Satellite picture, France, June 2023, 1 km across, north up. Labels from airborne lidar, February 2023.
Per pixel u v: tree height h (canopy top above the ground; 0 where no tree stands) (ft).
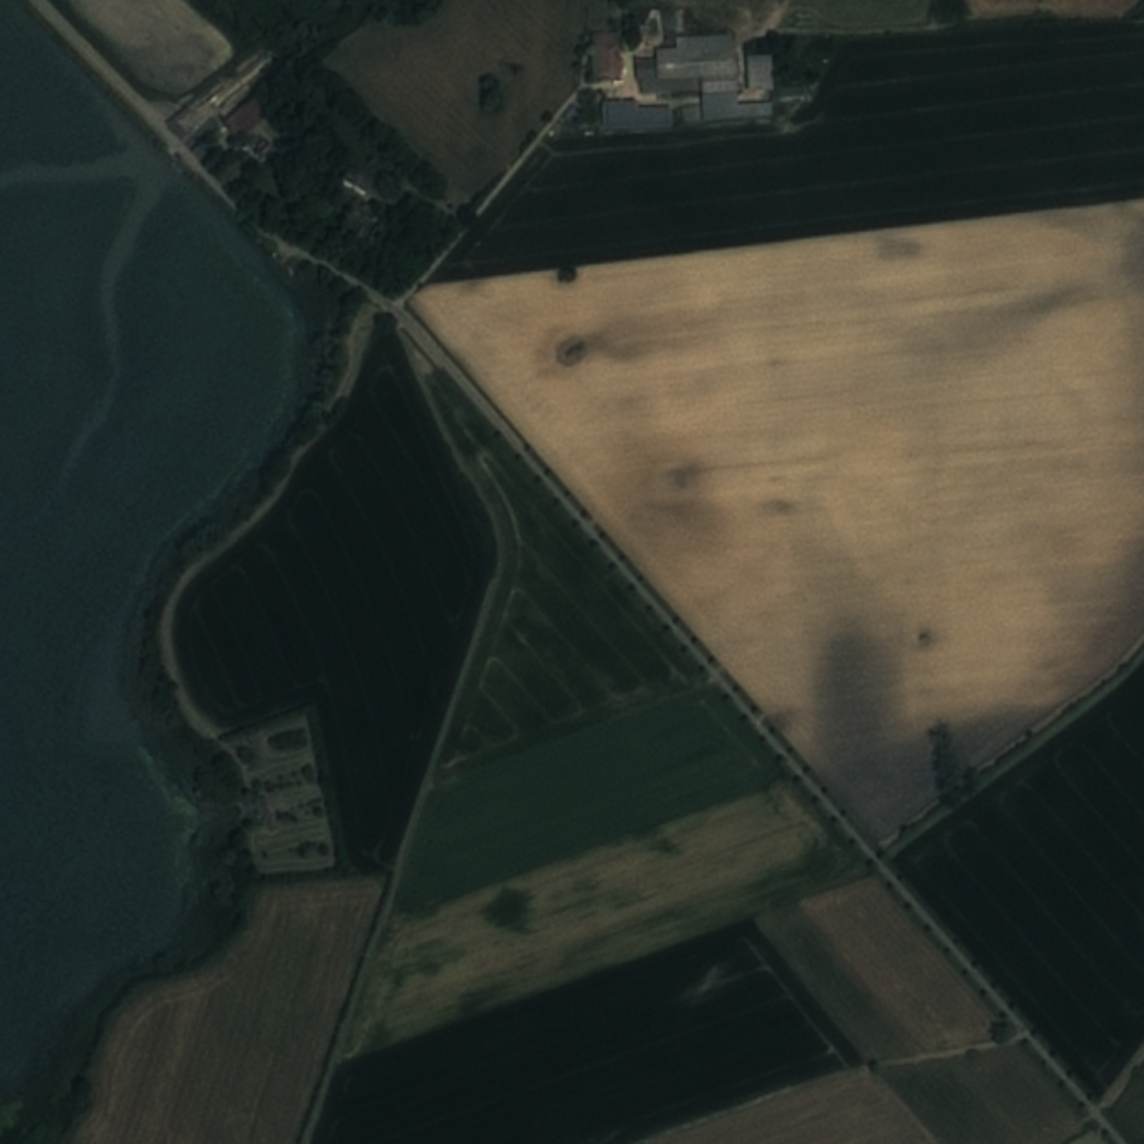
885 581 0
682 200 0
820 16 0
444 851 0
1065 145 0
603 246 0
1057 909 0
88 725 0
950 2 0
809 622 0
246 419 0
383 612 0
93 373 0
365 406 0
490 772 0
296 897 0
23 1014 0
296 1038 0
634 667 0
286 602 0
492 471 0
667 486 0
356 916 0
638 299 0
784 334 0
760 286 0
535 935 0
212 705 0
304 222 52
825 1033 0
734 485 0
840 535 0
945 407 0
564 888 0
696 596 0
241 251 0
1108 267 0
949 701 0
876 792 0
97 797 0
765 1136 0
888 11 0
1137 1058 0
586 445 0
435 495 0
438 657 0
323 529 0
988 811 0
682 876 0
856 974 0
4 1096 0
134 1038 0
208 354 0
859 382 0
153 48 0
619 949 0
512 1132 0
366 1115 0
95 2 0
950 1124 0
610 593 0
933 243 0
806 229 0
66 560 0
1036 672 0
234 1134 0
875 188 0
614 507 0
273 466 60
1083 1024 0
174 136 0
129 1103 0
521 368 0
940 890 0
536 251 0
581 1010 0
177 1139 0
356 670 0
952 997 0
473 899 0
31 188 0
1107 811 0
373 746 0
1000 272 0
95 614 0
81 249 0
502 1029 0
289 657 0
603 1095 0
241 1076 0
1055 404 0
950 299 0
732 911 0
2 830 0
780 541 0
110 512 0
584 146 0
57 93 0
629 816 0
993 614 0
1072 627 0
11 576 0
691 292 0
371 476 0
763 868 0
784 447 0
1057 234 0
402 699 0
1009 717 0
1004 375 0
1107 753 0
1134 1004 0
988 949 0
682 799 0
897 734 0
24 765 0
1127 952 0
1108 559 0
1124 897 0
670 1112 0
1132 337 0
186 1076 0
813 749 0
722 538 0
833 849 0
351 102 73
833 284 0
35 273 0
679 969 0
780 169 0
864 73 0
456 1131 0
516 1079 0
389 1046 0
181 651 0
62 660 0
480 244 0
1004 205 0
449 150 0
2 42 0
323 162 93
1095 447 0
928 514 0
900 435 0
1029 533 0
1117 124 0
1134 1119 0
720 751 0
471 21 0
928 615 0
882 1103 0
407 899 0
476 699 0
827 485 0
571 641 0
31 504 0
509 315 0
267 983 0
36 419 0
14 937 0
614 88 0
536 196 0
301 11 22
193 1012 0
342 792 0
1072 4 0
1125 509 0
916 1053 0
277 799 0
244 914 21
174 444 0
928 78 0
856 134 0
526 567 0
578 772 0
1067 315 0
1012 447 0
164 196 0
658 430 0
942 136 0
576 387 0
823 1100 0
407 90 0
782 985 0
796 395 0
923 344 0
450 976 0
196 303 0
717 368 0
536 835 0
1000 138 0
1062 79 0
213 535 51
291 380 0
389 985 0
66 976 0
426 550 0
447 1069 0
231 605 0
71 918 0
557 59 0
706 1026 0
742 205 0
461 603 0
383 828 0
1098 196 0
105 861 0
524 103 0
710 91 0
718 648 0
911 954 0
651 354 0
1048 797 0
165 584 22
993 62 0
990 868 0
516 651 0
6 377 0
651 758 0
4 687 0
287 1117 0
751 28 0
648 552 0
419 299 0
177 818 0
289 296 0
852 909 0
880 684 0
